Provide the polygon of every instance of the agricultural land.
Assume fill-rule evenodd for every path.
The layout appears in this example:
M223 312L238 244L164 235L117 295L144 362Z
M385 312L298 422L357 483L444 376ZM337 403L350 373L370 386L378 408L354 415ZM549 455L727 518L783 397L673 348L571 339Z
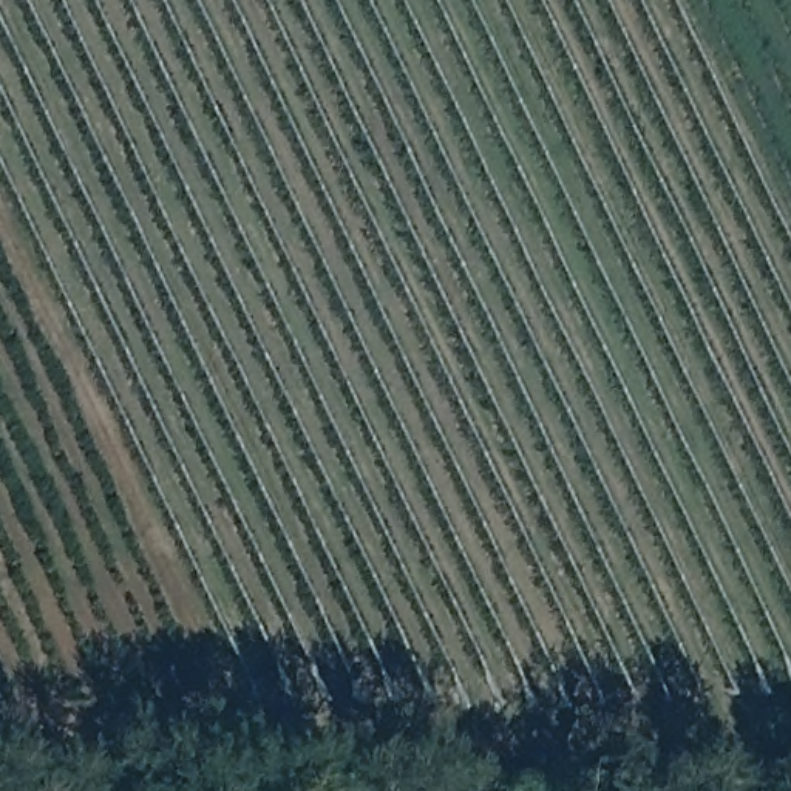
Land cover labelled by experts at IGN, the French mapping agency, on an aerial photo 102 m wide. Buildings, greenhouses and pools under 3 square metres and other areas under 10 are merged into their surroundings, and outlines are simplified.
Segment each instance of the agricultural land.
M445 732L451 738L467 735L473 742L473 754L494 754L501 769L513 772L516 779L522 772L541 772L544 782L550 776L565 779L569 772L596 769L599 757L606 754L624 754L630 729L627 723L633 723L637 732L646 738L658 735L658 751L674 757L704 751L717 742L717 732L729 748L745 745L754 763L772 763L791 754L791 0L0 0L0 244L6 250L12 275L22 281L28 294L40 331L46 334L53 352L59 355L74 386L87 426L111 470L114 488L121 494L127 522L136 531L136 538L161 584L170 618L182 630L192 630L185 637L192 655L185 658L173 683L204 683L219 698L226 698L229 708L266 714L272 729L281 735L300 735L303 729L315 723L328 726L331 720L337 723L337 732L346 732L352 726L355 742L368 748L383 745L392 735L405 742L420 742L429 729Z

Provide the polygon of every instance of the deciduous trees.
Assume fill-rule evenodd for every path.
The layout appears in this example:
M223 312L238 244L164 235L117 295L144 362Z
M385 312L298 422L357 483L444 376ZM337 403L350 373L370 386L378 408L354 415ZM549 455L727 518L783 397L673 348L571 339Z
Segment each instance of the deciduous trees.
M93 633L87 643L77 646L80 667L105 664L108 649L127 655L127 649L139 640L133 633L127 637L114 627L105 627L102 633Z
M56 596L59 612L83 609L87 593L96 593L99 578L111 575L114 584L121 581L114 559L127 553L124 541L136 538L136 531L127 522L121 494L114 488L111 470L87 426L74 386L59 355L53 352L46 334L40 331L28 294L22 281L12 275L6 250L0 244L0 664L6 677L15 677L19 667L28 664L62 664L56 637L43 621L40 603Z
M99 738L93 745L53 745L46 738L34 738L31 720L25 714L0 708L0 791L791 791L791 754L772 763L754 763L745 745L729 748L717 732L717 742L704 751L674 757L658 751L658 735L646 738L637 732L633 723L627 723L630 729L624 754L606 754L599 757L596 769L569 772L565 779L550 776L544 782L541 772L522 772L516 779L513 772L501 769L494 754L473 754L473 742L467 735L451 738L445 732L429 729L420 742L405 742L392 735L383 745L368 748L355 742L352 726L346 732L337 732L337 723L331 720L328 726L315 723L303 729L300 735L281 735L272 729L266 714L229 708L226 698L219 698L204 698L201 708L179 729L173 729L173 735L158 732L154 704L139 698L139 729L130 729L127 735L105 742Z

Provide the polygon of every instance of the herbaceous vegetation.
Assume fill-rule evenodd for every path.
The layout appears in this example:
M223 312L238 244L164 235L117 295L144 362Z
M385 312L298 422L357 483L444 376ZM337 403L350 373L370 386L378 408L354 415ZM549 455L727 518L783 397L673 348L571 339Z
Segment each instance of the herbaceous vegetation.
M99 578L96 593L87 593L83 609L59 612L56 596L40 603L43 621L56 637L62 664L28 664L19 667L15 677L6 677L0 664L0 708L25 714L31 720L34 738L46 738L53 745L93 745L99 738L105 742L127 735L130 729L139 729L139 698L154 704L158 732L173 735L173 729L179 729L201 708L204 698L219 698L204 683L173 683L185 658L192 655L185 637L192 630L182 630L170 618L161 584L136 538L124 541L127 553L114 559L121 581L114 584L111 575ZM105 664L80 667L77 646L87 643L93 633L102 633L105 627L114 627L127 637L133 633L139 640L127 649L127 655L108 649Z

